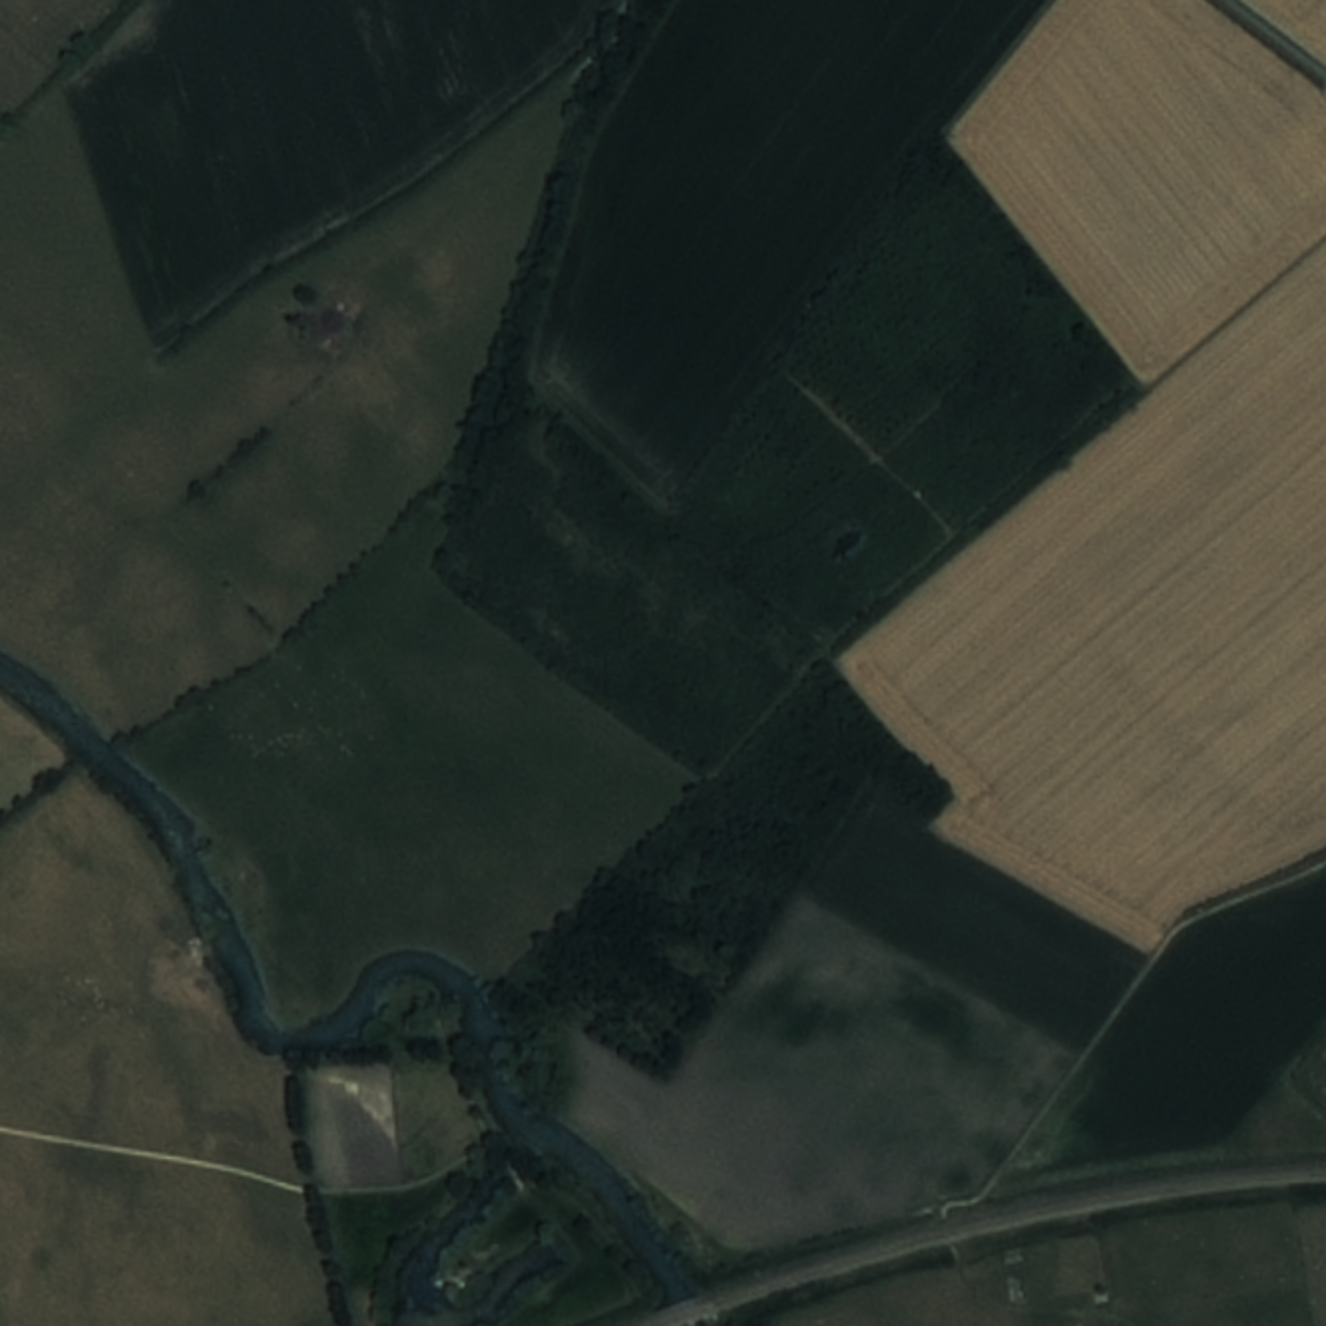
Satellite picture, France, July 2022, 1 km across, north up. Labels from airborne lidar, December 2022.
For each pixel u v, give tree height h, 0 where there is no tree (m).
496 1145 19
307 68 0
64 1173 0
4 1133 0
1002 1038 0
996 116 0
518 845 0
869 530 6
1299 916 0
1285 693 0
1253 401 0
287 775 0
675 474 0
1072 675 0
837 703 12
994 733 0
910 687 0
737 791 10
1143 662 0
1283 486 0
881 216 6
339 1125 0
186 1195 0
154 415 0
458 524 13
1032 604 0
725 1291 0
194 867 0
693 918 6
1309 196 0
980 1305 0
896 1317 0
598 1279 0
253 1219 0
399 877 0
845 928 0
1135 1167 0
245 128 0
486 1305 0
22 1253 0
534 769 0
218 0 0
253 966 0
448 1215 0
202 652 0
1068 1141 0
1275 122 0
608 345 0
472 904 0
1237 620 0
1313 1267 0
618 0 6
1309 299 0
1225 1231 0
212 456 0
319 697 0
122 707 0
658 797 0
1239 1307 0
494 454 11
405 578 0
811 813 7
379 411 0
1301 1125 0
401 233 0
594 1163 0
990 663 0
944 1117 0
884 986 0
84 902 0
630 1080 0
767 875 18
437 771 0
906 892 0
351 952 0
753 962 12
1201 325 0
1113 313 0
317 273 0
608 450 0
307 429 0
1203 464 0
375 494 0
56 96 0
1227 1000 0
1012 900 0
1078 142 0
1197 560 0
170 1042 0
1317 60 0
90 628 0
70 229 0
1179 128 0
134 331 0
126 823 0
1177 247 0
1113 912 0
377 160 0
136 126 0
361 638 0
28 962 0
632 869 9
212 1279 0
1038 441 6
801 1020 0
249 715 0
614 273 0
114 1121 0
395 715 0
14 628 0
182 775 0
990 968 0
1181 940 0
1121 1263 0
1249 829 0
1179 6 0
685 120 0
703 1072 0
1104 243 0
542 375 0
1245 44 0
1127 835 0
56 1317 0
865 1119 0
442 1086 0
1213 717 0
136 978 0
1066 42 0
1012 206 0
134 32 0
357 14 0
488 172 0
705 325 0
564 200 25
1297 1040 0
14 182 0
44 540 0
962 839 0
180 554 0
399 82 0
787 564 6
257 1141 0
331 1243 18
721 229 0
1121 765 0
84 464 0
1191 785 0
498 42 0
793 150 0
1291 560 0
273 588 0
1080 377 6
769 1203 0
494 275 0
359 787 0
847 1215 0
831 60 0
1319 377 0
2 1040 0
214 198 0
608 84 8
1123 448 0
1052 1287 0
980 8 0
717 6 0
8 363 0
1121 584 0
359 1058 19
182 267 0
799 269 0
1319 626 0
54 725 0
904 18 0
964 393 5
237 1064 0
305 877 0
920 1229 0
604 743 0
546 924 0
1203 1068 0
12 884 0
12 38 0
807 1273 0
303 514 0
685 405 0
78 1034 0
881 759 10
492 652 0
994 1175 0
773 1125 0
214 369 0
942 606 0
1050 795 0
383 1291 9
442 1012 14
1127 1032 0
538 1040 16
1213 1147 0
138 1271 0
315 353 0
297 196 0
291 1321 0
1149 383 0
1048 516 0
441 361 0
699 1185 0
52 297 0
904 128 0
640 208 0
